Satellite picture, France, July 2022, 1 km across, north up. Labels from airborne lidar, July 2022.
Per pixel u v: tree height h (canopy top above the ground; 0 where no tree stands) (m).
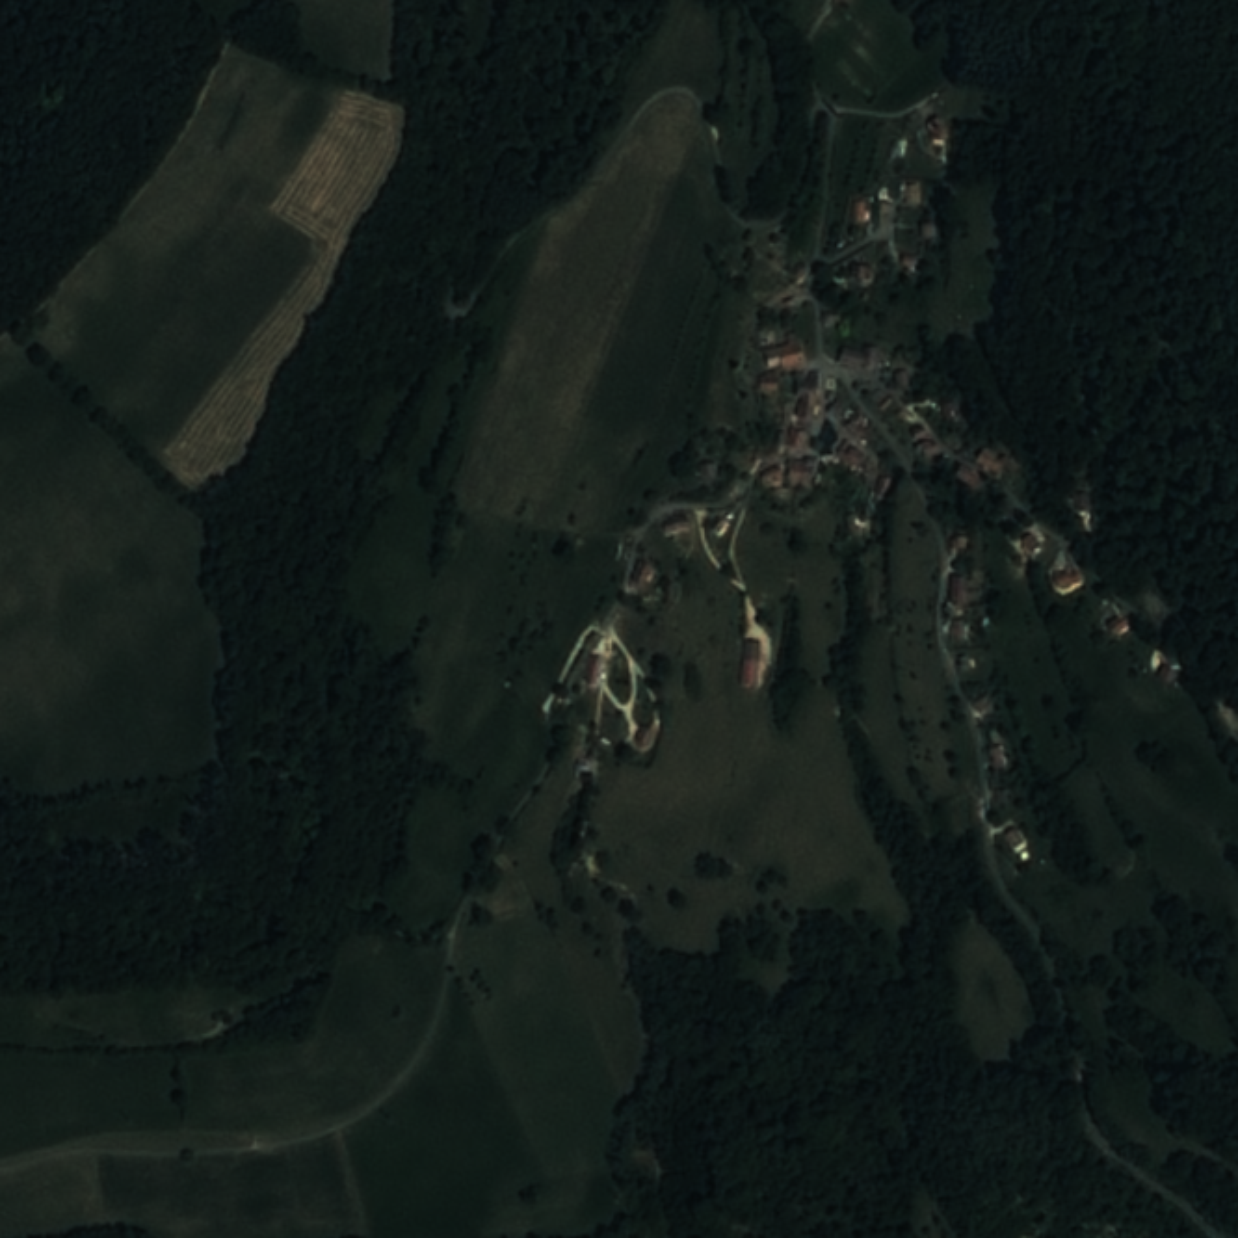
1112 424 27
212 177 0
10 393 0
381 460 16
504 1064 0
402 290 19
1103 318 33
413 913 0
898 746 0
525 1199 10
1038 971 19
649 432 0
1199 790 0
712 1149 28
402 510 0
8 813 26
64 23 31
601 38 34
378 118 0
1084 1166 19
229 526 26
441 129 28
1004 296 21
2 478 0
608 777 0
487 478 0
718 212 0
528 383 0
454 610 0
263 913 34
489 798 0
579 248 0
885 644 0
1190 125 26
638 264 0
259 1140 0
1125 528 32
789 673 16
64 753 0
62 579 0
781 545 0
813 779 0
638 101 0
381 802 19
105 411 11
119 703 0
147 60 17
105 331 0
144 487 0
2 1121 0
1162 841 0
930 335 12
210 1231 0
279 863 26
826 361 0
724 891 0
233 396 0
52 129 22
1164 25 18
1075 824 9
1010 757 8
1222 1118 23
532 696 0
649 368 0
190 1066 0
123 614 0
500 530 0
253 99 0
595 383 0
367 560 0
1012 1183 16
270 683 40
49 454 0
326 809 34
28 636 0
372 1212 0
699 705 0
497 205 26
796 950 14
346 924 31
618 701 0
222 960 29
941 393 8
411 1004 0
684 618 0
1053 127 19
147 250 0
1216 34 21
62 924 29
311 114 0
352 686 27
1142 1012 12
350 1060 0
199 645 0
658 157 0
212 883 26
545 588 0
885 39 0
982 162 13
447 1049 0
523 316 0
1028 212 22
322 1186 0
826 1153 26
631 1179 18
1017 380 24
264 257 0
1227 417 26
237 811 19
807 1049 37
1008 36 31
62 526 0
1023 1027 0
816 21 0
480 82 23
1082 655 0
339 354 27
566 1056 0
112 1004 0
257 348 0
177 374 0
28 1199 0
